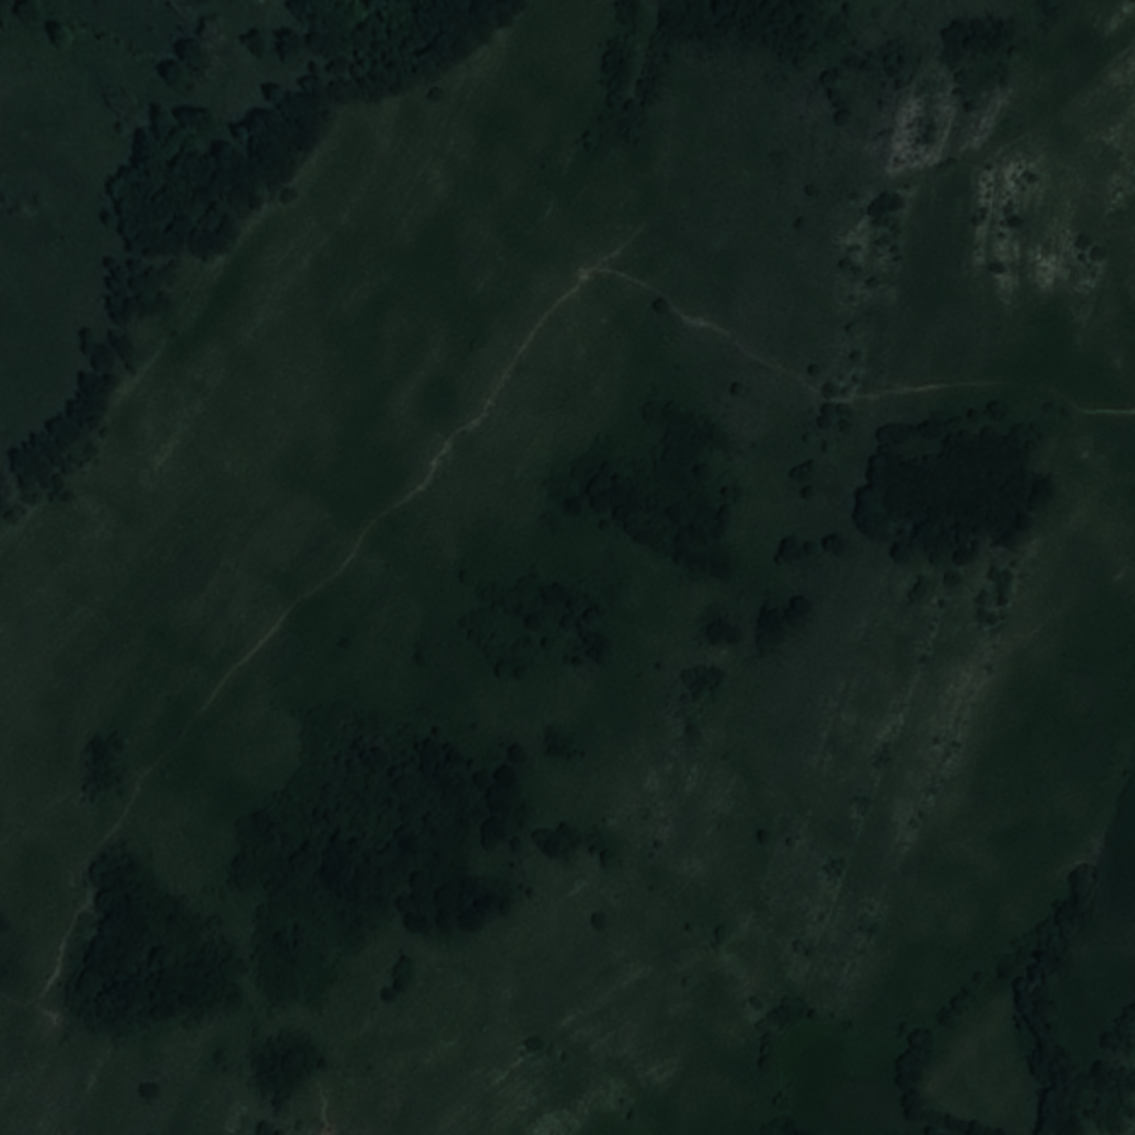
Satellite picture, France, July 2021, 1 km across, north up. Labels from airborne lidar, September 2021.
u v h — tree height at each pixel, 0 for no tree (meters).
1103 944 0
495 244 0
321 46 14
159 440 0
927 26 0
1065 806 0
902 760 0
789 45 5
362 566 0
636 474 9
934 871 0
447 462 0
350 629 0
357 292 0
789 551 17
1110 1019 0
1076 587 0
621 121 7
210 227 11
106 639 0
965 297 0
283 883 8
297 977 7
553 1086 0
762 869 0
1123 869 0
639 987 0
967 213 0
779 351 0
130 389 0
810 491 13
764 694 0
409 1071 0
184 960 9
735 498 10
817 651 0
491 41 11
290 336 0
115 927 25
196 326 0
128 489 0
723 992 0
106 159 0
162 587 0
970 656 0
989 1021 0
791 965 0
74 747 0
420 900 13
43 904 0
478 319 0
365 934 7
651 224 0
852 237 0
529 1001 0
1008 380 0
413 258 0
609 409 0
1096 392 0
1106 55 0
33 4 25
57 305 0
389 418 0
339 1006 0
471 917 22
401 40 29
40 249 0
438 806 11
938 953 0
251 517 0
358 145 0
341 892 21
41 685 0
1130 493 0
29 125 0
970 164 0
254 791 0
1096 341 0
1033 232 0
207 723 0
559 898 0
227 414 0
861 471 0
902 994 0
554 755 12
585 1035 0
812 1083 0
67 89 0
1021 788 0
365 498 0
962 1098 0
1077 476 0
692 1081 0
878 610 0
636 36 7
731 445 5
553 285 0
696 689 9
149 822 0
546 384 0
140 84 0
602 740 0
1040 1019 20
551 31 0
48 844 0
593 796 0
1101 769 0
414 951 0
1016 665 0
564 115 0
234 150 17
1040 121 0
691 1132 0
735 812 0
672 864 0
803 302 0
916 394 0
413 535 0
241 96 0
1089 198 0
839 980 0
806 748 0
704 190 0
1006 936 0
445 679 0
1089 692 0
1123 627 0
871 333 0
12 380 0
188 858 0
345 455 0
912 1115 19
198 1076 0
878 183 0
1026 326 0
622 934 0
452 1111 0
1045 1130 22
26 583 0
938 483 18
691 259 0
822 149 0
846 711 0
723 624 17
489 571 0
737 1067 0
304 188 0
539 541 0
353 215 0
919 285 0
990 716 0
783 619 18
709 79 0
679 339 0
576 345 0
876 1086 0
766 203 0
